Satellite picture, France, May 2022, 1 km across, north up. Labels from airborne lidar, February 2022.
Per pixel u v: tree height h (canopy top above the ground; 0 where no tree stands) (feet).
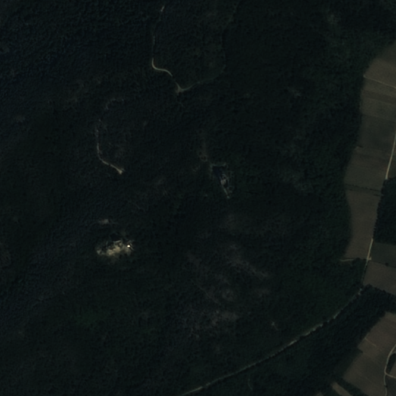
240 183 46
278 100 41
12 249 45
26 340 36
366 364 0
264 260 27
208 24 28
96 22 57
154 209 46
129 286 50
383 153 0
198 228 46
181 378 39
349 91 48
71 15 40
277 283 33
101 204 54
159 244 55
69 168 51
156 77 40
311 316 36
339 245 49
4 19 54
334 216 65
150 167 36
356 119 29
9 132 41
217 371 29
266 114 44
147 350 30
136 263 49
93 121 47
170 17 46
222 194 21
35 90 54
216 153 37
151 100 40
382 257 0
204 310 22
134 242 35
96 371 36
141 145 63
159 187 25
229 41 64
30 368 43
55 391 57
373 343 0
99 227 22
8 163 31
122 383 42
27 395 56
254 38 64
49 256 55
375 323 31
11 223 48
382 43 45
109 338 39
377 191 0
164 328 56
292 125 54
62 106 57
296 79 54
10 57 55
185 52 30
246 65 53
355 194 0
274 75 41
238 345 26
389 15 61
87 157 62
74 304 50
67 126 72
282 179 65
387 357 0
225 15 31
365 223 0
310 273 56
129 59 52
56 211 72
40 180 55
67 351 36
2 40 77
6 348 63
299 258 62
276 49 70
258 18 62
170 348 55
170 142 54
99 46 54
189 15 39
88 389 37
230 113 65
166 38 47
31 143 64
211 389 56
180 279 22
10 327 42
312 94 61
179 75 27
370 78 0
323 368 44
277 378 50
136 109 39
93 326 54
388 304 40
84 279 32
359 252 0
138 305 38
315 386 52
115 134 49
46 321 58
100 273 41
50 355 40
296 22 55
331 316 40
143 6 53
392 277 0
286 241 52
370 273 0
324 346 34
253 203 62
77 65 41
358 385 0
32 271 63
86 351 50
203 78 33
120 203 65
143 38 43
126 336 22
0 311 53
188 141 37
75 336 58
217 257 21
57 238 55
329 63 32
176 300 39
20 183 54
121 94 60
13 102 58
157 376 41
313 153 67
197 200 43
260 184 68
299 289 53
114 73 30
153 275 24
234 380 48
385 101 0
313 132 50
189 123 58
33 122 49
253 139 40
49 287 51
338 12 48
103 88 50
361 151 0
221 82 49
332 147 53
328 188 78
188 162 18
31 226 69
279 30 40
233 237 30
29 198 60
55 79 54
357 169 0
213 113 28
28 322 36
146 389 38
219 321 31
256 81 62
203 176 24
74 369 52
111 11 65
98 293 50
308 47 56
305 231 46
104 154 37
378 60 0
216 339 41
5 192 53
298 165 62
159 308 41
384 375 0
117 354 35
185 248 54
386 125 0
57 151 80
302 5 59
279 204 51
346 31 53
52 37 52
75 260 27
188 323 29
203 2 26
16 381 25
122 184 52
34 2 57
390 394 0
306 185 65
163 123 34
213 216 29
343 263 0
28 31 43
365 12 47
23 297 42
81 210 47
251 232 22
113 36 51
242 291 29
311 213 38
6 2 42
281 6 52
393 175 0
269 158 50
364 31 63
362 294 40
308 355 50
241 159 29
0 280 41
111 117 53
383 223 45
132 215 45
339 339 48
